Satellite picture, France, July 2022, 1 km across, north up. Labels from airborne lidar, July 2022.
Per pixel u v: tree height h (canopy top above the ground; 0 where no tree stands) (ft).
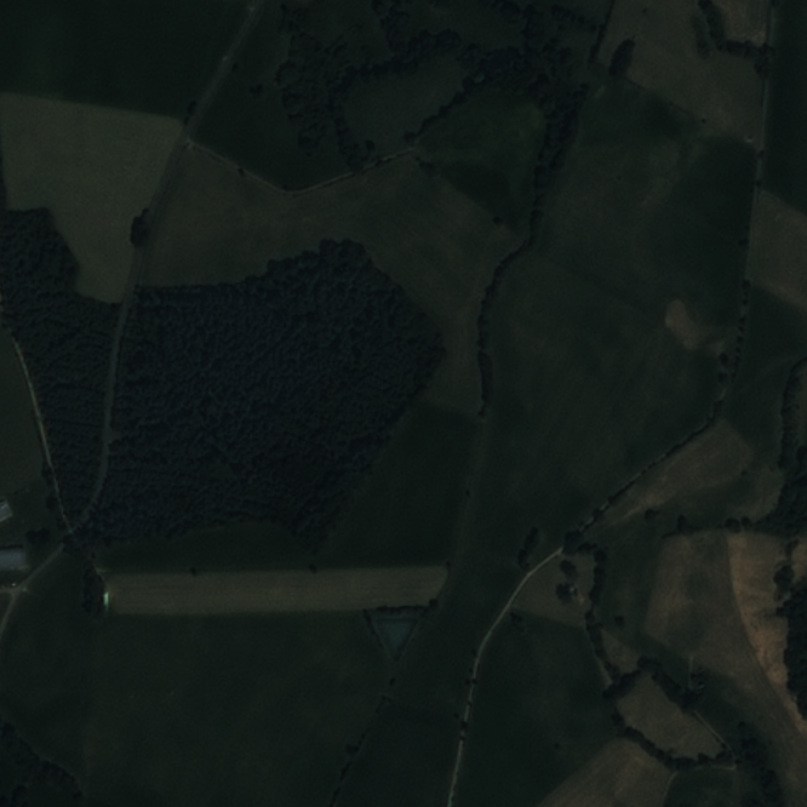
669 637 0
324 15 0
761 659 0
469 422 0
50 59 0
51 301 41
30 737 0
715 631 0
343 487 65
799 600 40
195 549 0
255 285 44
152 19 0
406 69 71
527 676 0
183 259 0
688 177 0
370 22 0
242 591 0
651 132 0
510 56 52
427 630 0
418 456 0
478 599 0
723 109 0
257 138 0
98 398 43
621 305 0
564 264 0
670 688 67
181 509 38
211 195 0
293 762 0
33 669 0
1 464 0
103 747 0
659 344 0
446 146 0
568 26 41
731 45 44
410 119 0
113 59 0
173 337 91
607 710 0
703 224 0
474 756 0
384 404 26
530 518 0
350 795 0
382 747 0
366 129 0
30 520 0
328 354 97
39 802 0
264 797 0
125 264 0
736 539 0
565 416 0
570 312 0
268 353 96
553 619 0
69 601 0
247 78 0
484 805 0
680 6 0
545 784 0
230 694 0
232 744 0
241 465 73
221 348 85
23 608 0
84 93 0
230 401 75
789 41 0
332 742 0
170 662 0
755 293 0
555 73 37
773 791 85
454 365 0
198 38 0
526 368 0
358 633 0
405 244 0
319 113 36
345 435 34
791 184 0
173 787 0
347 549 0
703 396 0
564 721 0
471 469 0
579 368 0
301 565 0
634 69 0
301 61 22
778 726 0
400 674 0
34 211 28
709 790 0
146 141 0
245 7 0
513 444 0
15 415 0
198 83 0
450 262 0
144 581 0
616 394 0
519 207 0
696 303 0
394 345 45
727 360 53
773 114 0
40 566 0
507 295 0
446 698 0
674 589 0
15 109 0
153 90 0
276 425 94
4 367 0
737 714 0
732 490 0
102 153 0
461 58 67
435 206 0
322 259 57
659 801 0
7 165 0
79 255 0
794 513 57
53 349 50
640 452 0
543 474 0
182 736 0
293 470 42
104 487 35
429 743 0
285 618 0
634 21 0
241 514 41
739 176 0
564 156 19
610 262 0
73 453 40
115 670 0
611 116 0
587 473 0
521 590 0
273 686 0
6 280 45
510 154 0
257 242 0
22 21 0
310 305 67
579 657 0
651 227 0
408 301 44
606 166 0
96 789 0
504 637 0
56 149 0
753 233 0
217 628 0
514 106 0
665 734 0
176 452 71
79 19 0
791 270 0
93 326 26
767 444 0
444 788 0
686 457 0
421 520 0
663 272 0
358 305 96
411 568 0
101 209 0
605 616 0
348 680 0
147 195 0
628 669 0
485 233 0
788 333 0
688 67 0
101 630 0
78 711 0
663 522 0
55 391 51
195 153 0
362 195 0
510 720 0
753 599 0
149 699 0
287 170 0
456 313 0
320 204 0
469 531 0
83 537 76
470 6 0
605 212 0
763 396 0
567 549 35
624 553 0
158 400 81
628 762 0
